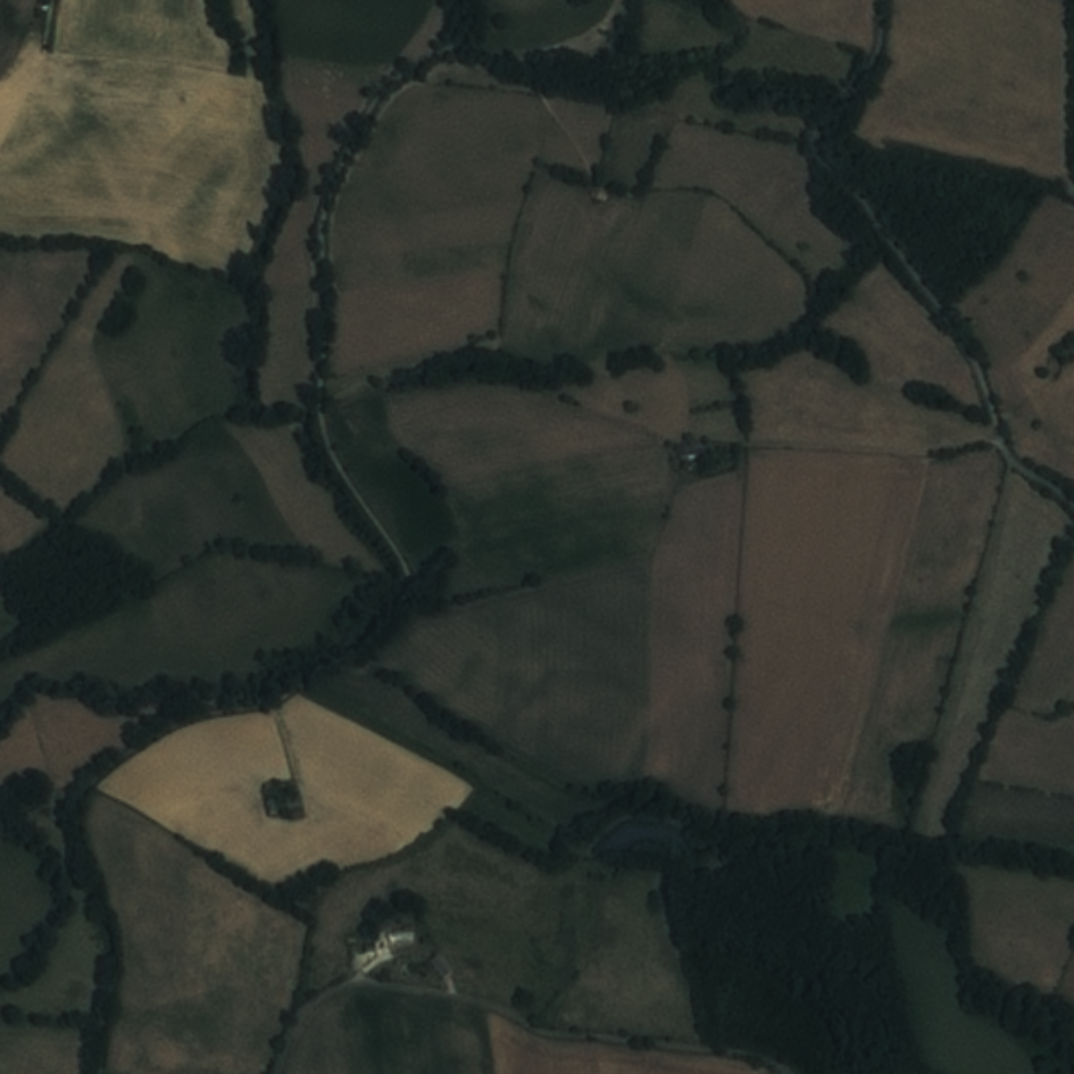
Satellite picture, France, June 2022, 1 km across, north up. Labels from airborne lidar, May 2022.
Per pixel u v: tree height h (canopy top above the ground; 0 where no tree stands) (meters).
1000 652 0
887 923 21
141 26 0
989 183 8
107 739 0
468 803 0
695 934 21
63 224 0
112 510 0
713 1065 0
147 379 0
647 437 0
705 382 0
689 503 0
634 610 0
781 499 0
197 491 0
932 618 0
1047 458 0
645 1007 0
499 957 0
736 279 0
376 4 0
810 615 0
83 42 0
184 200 0
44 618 14
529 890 0
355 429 0
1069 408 0
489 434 0
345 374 0
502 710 0
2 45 0
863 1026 29
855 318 0
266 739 0
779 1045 7
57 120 0
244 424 18
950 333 21
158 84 0
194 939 0
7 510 0
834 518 0
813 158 14
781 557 0
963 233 8
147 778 0
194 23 0
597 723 0
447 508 0
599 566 0
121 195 0
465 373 19
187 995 0
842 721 0
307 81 0
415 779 0
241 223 0
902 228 15
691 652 0
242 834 0
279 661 17
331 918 0
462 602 14
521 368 24
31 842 34
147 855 0
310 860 0
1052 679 0
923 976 0
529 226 0
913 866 21
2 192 0
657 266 0
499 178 0
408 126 0
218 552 16
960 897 18
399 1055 0
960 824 17
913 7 0
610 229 0
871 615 0
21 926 0
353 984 0
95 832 0
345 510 17
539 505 0
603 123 0
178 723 24
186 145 0
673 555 0
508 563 0
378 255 0
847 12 0
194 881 0
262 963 0
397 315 0
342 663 28
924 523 0
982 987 19
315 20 0
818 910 26
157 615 0
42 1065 0
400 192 0
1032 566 0
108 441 0
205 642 0
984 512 0
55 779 0
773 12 0
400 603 19
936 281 17
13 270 0
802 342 21
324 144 0
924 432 0
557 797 0
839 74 0
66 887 25
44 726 0
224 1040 0
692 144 0
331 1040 0
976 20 0
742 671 0
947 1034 0
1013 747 0
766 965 24
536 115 0
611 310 0
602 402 0
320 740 0
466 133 0
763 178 0
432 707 17
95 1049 19
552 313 0
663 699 0
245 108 0
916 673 0
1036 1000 17
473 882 0
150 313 0
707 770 0
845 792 0
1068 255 0
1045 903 0
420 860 0
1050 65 0
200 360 0
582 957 0
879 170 12
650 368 20
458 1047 0
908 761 23
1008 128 0
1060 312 0
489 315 0
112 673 0
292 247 0
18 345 0
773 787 0
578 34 0
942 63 0
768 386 0
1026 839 0
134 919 0
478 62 16
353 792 0
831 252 0
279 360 0
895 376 0
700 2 19
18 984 12
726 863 15
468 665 0
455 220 0
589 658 0
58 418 0
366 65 0
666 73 13
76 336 0
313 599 0
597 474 0
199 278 14
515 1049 0
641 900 0
